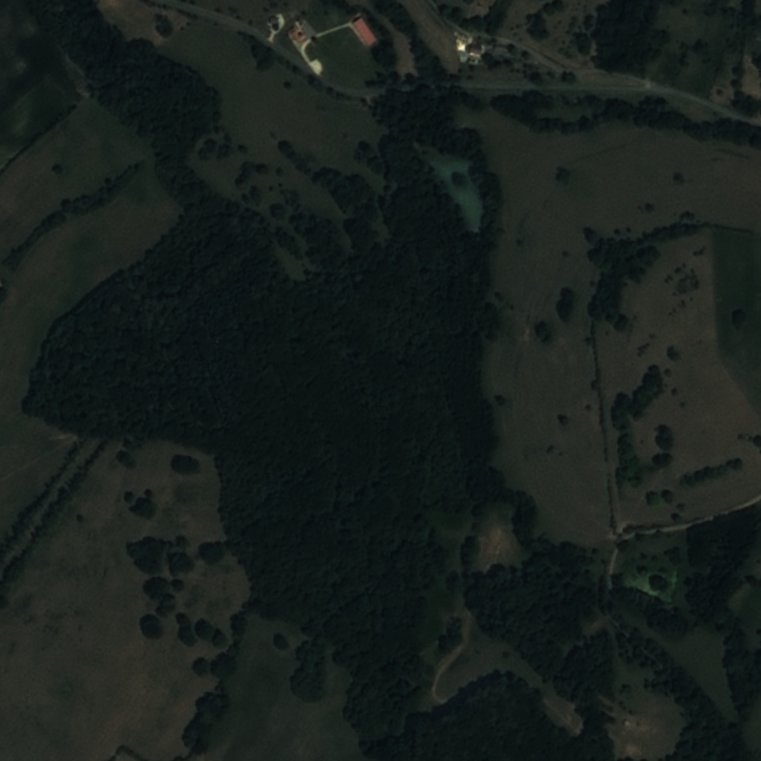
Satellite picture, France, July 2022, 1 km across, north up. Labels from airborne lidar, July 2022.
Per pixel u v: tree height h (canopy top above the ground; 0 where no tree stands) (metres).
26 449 0
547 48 0
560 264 0
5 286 9
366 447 25
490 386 0
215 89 7
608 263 18
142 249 0
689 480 9
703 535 12
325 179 19
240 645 11
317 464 27
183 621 17
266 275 23
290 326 30
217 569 0
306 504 27
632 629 9
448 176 0
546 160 0
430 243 28
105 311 25
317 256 21
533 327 0
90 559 0
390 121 16
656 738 0
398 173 28
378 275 29
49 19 27
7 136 0
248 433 28
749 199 0
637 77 7
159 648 0
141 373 24
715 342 0
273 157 0
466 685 0
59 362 25
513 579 19
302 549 25
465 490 8
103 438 21
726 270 0
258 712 0
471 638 0
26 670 0
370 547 17
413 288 21
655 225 0
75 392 24
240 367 24
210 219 16
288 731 0
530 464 0
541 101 21
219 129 14
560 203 0
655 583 16
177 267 13
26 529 17
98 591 0
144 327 27
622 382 0
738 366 0
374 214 24
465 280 19
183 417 22
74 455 14
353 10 7
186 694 0
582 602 20
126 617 0
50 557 0
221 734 0
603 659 13
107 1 0
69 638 0
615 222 0
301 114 0
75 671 0
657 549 0
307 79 7
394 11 24
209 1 0
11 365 0
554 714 0
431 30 0
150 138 22
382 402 27
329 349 33
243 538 16
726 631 22
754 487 0
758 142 26
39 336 0
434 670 0
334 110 0
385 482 27
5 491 0
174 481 0
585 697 16
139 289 23
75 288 0
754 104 14
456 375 20
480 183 25
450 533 0
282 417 30
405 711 16
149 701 0
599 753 20
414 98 19
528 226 0
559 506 0
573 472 0
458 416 18
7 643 0
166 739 0
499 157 0
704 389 0
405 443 18
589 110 21
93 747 0
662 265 0
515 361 0
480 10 0
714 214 0
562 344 0
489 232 20
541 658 22
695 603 16
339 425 33
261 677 0
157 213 0
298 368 30
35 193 0
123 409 28
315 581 20
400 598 26
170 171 16
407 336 15
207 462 0
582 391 0
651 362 0
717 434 0
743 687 21
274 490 12
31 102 0
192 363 22
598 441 0
